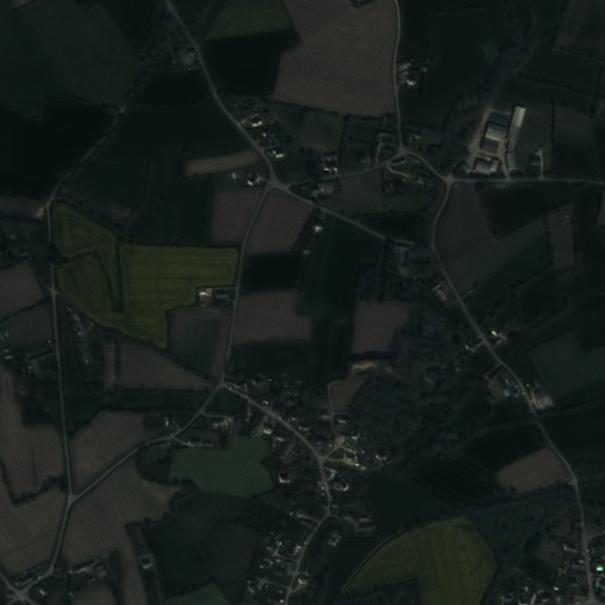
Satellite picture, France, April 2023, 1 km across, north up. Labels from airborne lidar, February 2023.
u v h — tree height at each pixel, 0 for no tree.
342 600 15
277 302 0
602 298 0
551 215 10
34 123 0
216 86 0
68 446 0
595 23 0
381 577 0
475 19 0
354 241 0
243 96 10
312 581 8
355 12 0
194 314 0
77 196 0
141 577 0
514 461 10
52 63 0
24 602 0
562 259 0
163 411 9
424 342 14
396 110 0
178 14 0
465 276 0
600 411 0
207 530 0
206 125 0
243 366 0
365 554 0
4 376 0
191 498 0
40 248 0
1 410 0
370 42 0
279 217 0
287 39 0
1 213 8
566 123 0
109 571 14
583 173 0
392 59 0
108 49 0
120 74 0
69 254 0
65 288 0
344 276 0
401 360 30
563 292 11
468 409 0
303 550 0
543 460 0
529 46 15
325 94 0
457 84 0
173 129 0
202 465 0
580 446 0
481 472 0
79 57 0
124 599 0
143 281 0
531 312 0
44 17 0
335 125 0
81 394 0
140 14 0
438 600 0
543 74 0
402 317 0
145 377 0
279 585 0
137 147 0
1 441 0
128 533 8
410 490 0
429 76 0
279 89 0
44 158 0
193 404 0
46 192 0
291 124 0
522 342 0
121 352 11
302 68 0
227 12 0
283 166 0
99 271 0
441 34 0
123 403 0
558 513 7
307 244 0
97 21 0
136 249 0
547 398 0
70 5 0
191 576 0
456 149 23
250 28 0
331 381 0
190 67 0
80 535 0
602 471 15
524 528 11
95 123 0
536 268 0
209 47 0
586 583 0
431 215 7
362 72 0
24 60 0
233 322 0
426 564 0
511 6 9
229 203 0
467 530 0
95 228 0
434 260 27
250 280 0
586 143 0
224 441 17
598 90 8
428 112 0
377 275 12
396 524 0
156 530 0
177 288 0
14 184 0
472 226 0
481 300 0
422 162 0
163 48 8
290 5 0
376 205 0
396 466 16
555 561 0
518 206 0
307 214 0
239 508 0
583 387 0
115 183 0
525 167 0
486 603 7
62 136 0
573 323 0
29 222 21
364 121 8
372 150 7
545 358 0
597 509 12
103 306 0
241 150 0
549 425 0
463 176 13
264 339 0
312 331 0
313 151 8
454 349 9
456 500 0
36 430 0
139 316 0
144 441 0
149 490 0
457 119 15
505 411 0
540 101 0
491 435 0
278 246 0
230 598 0
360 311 0
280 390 9
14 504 9
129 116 0
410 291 18
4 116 0
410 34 0
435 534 0
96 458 0
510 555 11
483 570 0
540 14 0
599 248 0
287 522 10
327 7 0
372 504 0
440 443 10
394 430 10
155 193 0
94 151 0
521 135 0
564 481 0
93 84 0
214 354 0
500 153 0
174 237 0
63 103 0
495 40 0
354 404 9
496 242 0
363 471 0
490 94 26
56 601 0
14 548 0
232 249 0
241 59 0
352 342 0
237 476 0
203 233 0
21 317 0
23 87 0
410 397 21
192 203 0
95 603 0
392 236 0
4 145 0
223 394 0
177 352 0
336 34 0
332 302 0
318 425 0
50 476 0
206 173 0
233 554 0
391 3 0
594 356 0
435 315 29
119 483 0
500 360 0
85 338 0
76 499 0
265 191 0
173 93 0
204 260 0
